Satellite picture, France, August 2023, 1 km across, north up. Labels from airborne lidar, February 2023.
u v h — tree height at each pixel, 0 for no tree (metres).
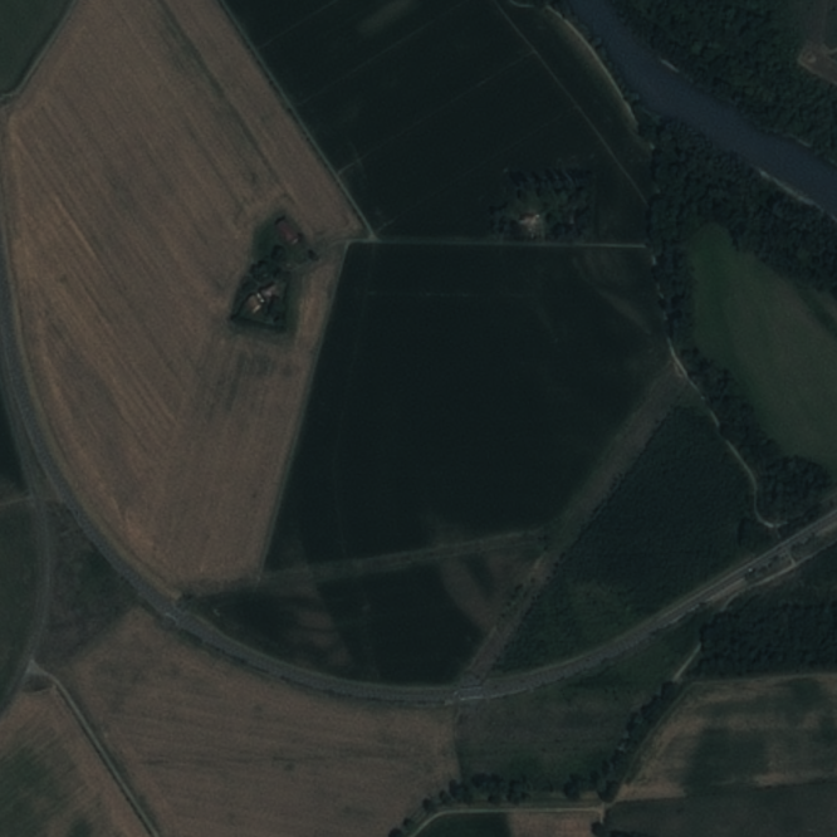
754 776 0
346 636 0
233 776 0
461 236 0
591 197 7
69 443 0
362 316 0
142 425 0
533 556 0
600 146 0
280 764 0
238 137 0
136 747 0
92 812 0
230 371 0
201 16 0
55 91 0
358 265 0
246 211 0
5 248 0
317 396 0
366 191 0
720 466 6
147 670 0
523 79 0
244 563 0
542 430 0
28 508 0
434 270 0
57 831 0
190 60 0
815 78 6
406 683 0
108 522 0
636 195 0
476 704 0
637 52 0
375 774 0
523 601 0
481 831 0
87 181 0
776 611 6
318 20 0
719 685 0
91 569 0
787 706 0
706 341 0
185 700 0
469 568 0
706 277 0
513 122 0
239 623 0
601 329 0
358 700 0
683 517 8
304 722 0
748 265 0
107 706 0
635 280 0
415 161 0
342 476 0
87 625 0
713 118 0
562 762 0
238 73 0
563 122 0
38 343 0
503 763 0
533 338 0
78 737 0
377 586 0
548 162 0
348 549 0
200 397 0
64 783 0
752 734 0
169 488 0
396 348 0
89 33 0
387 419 0
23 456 0
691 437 6
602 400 0
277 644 0
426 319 0
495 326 0
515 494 0
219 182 0
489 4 0
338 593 0
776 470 10
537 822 0
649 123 17
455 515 0
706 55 17
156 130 0
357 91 0
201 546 0
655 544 7
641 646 0
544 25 0
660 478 7
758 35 16
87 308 0
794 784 0
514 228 16
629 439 0
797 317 0
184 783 0
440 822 0
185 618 0
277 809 0
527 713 0
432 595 0
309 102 0
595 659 0
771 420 0
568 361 0
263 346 0
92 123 0
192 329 0
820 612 12
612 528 9
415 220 0
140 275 0
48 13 0
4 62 0
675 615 0
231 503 0
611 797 19
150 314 0
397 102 0
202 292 0
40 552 0
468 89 0
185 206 0
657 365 0
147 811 0
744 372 0
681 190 20
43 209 0
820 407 0
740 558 0
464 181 0
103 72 0
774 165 0
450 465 0
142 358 0
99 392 0
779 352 0
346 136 0
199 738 0
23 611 0
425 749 0
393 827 0
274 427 0
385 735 0
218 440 0
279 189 0
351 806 0
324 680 0
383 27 0
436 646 0
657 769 0
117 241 0
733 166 20
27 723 0
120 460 0
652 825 0
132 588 0
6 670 0
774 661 21
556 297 0
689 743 0
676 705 0
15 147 0
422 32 0
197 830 0
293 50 0
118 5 0
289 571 0
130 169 0
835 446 0
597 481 0
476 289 0
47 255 0
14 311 0
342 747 0
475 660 0
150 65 0
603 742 0
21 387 0
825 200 0
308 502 0
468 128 0
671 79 0
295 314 0
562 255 0
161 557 0
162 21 0
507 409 0
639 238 0
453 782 0
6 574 0
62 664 0
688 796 0
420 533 0
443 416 0
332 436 0
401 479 0
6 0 0
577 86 0
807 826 0
